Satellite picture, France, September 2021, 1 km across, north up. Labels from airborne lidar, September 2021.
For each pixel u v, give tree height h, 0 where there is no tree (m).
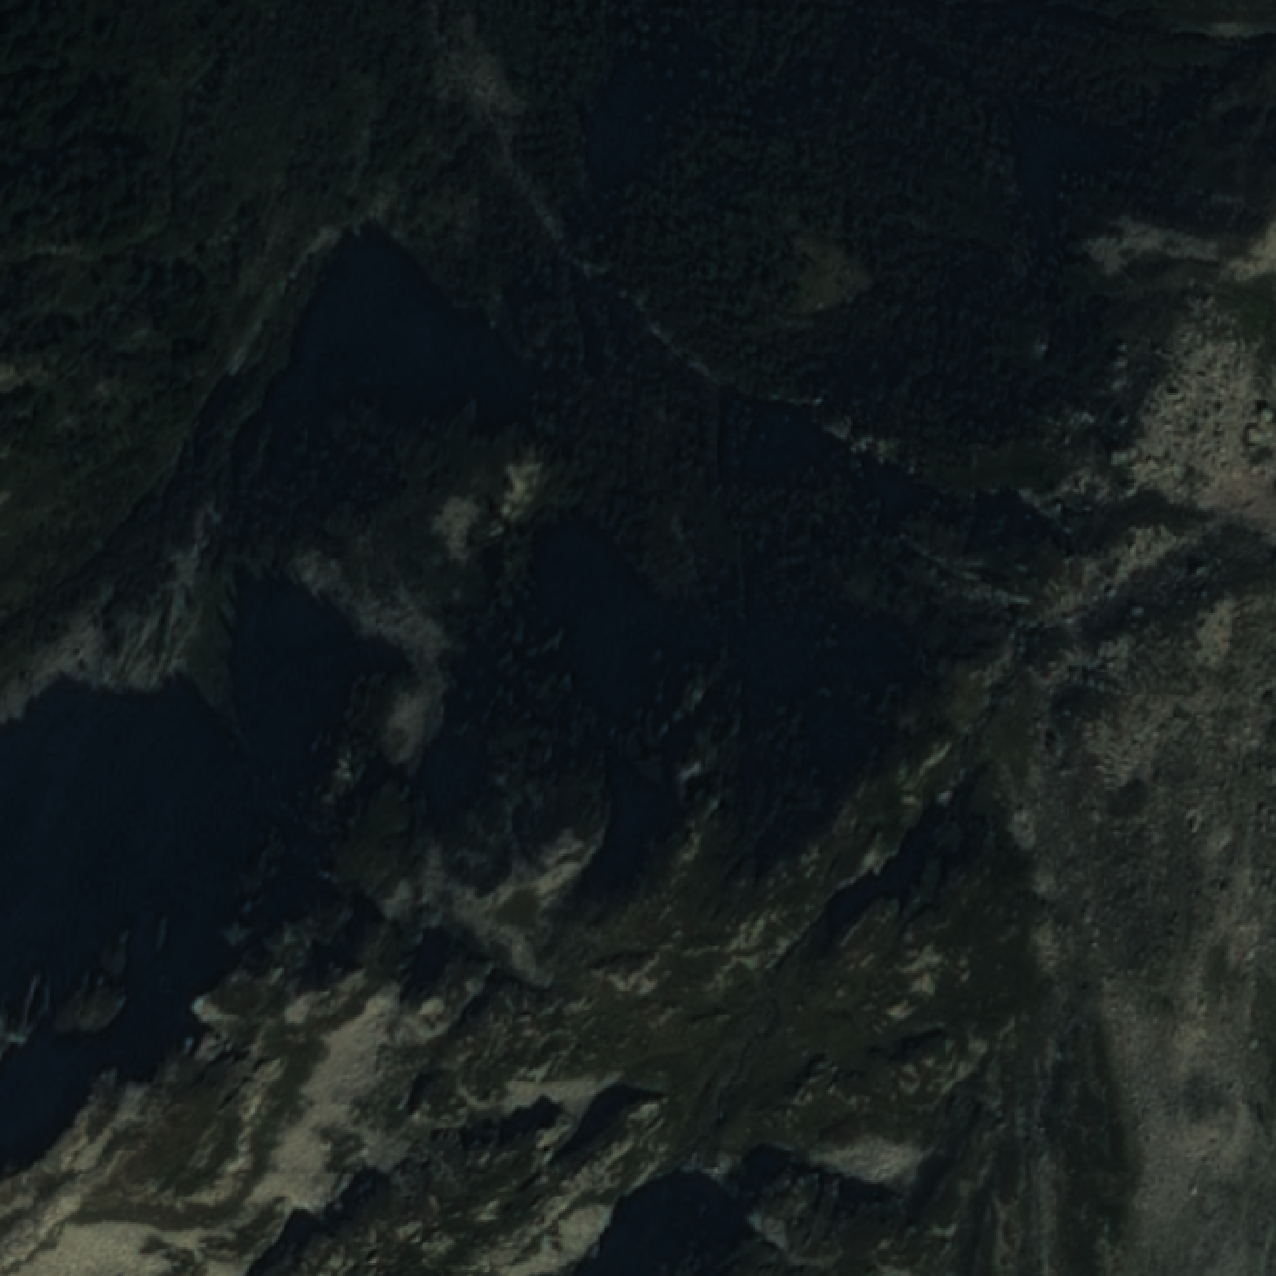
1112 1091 0
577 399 6
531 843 0
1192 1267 0
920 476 7
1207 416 0
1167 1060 0
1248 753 0
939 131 5
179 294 6
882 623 0
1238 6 0
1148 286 0
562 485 7
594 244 10
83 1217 0
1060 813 0
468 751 0
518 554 9
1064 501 0
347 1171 0
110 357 6
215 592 0
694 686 10
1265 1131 0
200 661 0
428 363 0
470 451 9
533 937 0
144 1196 0
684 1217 0
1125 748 0
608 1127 0
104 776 0
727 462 6
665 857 0
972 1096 0
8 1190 0
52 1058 0
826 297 0
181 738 0
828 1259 0
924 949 0
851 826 0
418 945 0
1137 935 0
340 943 0
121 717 0
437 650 0
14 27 20
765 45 6
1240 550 0
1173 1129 0
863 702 6
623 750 8
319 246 0
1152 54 0
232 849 6
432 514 0
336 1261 0
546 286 6
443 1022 0
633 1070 0
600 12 9
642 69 12
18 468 6
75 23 13
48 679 0
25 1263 0
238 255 9
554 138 8
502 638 7
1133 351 0
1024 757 0
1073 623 0
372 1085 0
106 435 7
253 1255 0
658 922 0
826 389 6
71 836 0
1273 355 0
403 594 0
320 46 8
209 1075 0
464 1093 0
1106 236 0
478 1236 0
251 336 0
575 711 7
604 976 0
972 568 0
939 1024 0
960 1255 0
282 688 12
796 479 7
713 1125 0
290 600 0
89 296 0
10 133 9
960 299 7
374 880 0
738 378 7
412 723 0
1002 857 11
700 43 9
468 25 0
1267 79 0
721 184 7
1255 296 0
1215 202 0
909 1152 0
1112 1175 0
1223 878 0
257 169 0
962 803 0
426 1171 0
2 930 0
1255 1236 0
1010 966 0
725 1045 0
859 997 0
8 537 0
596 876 0
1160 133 6
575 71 7
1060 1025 0
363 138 0
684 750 8
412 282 7
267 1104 0
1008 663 0
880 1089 0
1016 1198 0
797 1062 0
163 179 8
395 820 0
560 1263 0
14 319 8
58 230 8
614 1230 0
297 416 9
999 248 0
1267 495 0
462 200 5
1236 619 0
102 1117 0
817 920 0
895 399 6
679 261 6
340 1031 0
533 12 8
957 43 7
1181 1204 0
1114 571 0
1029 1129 0
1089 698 0
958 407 5
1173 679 0
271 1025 0
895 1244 0
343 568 0
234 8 11
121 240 10
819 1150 0
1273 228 0
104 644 0
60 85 14
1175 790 0
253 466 5
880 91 6
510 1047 0
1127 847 0
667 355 6
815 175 8
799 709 6
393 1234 0
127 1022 0
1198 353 0
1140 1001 0
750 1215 0
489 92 0
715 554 0
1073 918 0
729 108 8
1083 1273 0
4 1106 0
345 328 0
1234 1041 0
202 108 7
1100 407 0
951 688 0
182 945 0
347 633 0
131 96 11
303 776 5
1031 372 0
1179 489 0
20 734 0
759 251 5
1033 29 8
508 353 0
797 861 0
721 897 0
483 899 0
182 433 0
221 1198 0
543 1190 0
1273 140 0
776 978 0
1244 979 0
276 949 0
